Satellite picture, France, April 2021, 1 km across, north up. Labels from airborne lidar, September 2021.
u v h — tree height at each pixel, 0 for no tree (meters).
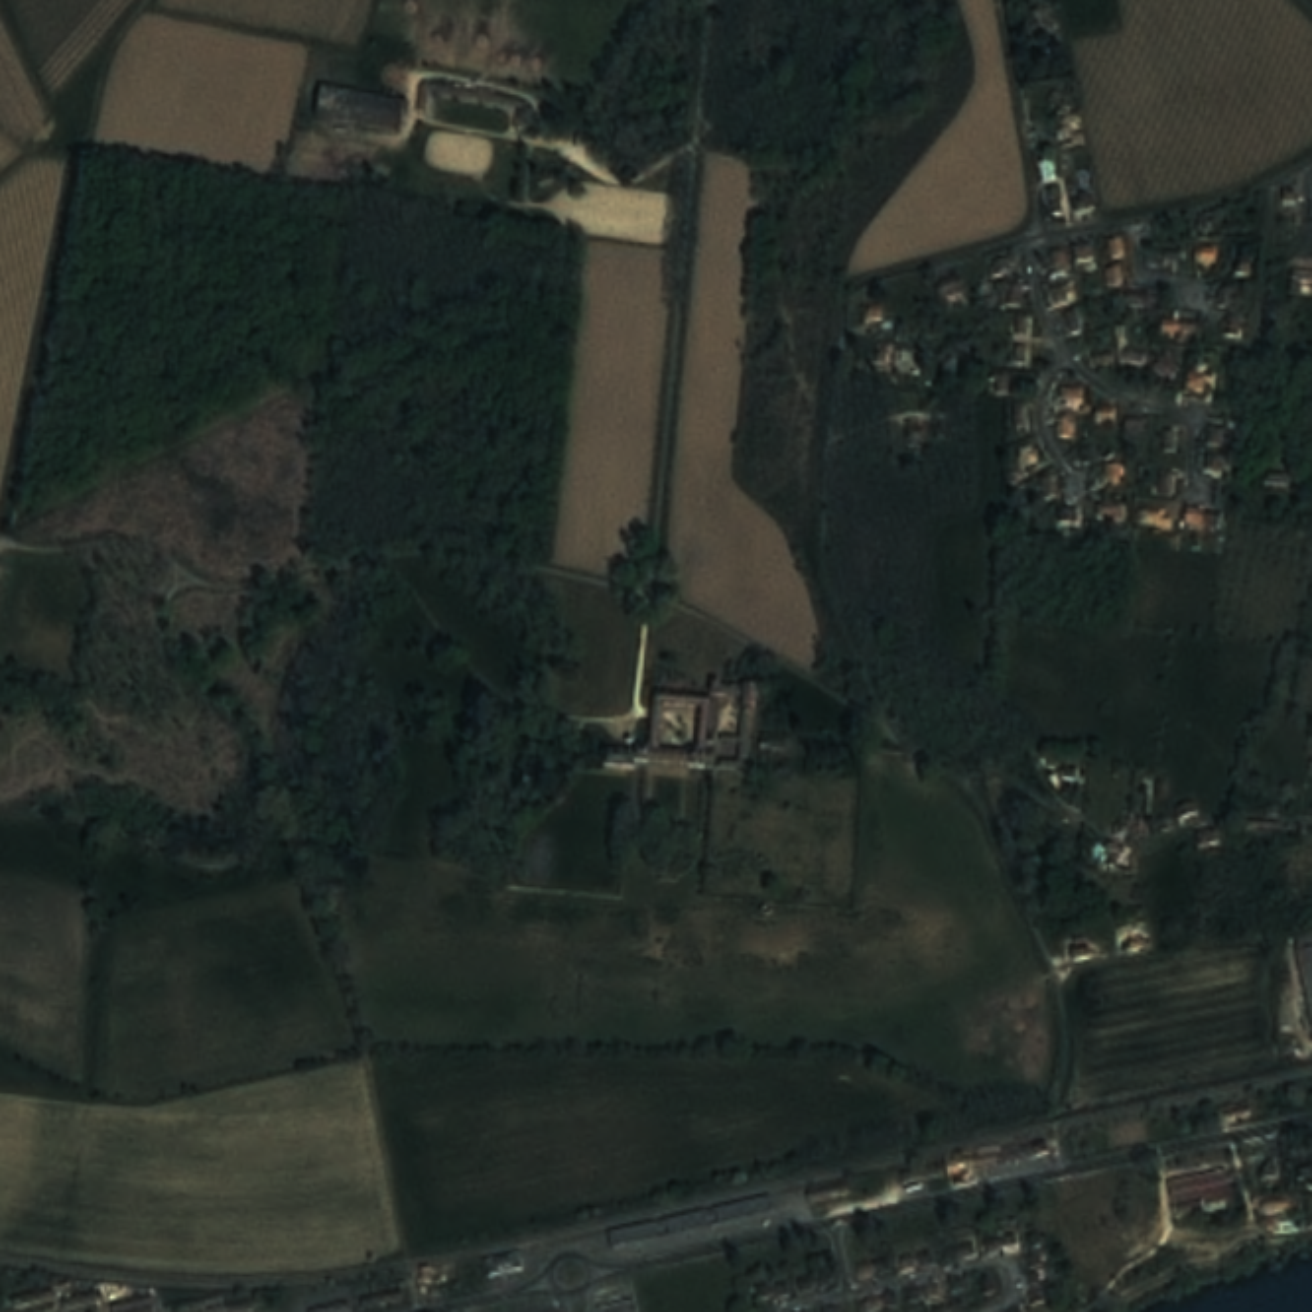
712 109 19
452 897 0
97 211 23
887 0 24
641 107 20
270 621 21
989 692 12
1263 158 0
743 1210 0
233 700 18
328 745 21
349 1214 0
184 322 24
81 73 0
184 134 0
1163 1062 0
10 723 16
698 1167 0
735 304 0
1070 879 18
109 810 15
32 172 0
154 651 22
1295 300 7
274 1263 0
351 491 17
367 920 0
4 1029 0
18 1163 0
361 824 15
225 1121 0
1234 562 7
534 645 18
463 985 0
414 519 18
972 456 17
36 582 0
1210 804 0
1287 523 13
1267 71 0
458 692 0
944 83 6
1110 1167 0
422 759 0
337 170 0
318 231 20
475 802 25
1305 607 8
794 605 0
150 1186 0
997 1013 0
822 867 0
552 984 0
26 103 0
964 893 0
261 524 0
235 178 13
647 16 17
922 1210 0
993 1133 19
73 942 0
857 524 11
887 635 21
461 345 25
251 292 25
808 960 0
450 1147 0
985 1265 0
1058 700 0
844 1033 0
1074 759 14
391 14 0
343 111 0
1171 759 0
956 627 0
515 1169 0
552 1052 13
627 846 22
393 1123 0
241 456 0
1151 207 0
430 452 13
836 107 17
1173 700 0
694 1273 0
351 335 24
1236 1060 0
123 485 0
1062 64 17
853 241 5
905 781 0
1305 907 19
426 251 21
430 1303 0
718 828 0
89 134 0
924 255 0
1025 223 0
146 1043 0
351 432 15
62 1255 0
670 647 0
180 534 0
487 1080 0
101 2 0
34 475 19
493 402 20
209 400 25
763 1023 0
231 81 0
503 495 20
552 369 19
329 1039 0
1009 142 0
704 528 0
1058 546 17
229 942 0
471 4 0
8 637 0
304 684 22
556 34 0
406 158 0
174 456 0
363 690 17
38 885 0
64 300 18
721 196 0
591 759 9
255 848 20
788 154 15
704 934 0
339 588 21
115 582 17
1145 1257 0
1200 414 0
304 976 0
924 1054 0
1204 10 0
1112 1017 0
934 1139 18
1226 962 0
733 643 0
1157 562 0
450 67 0
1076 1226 0
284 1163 0
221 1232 0
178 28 0
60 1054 0
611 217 0
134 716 15
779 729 14
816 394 5
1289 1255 8
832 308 7
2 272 0
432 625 0
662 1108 0
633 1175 0
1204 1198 0
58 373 19
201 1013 0
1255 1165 0
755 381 6
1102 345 7
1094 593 15
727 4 13
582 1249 0
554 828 0
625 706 0
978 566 0
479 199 0
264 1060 0
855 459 21
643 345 0
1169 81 0
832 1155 19
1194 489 0
